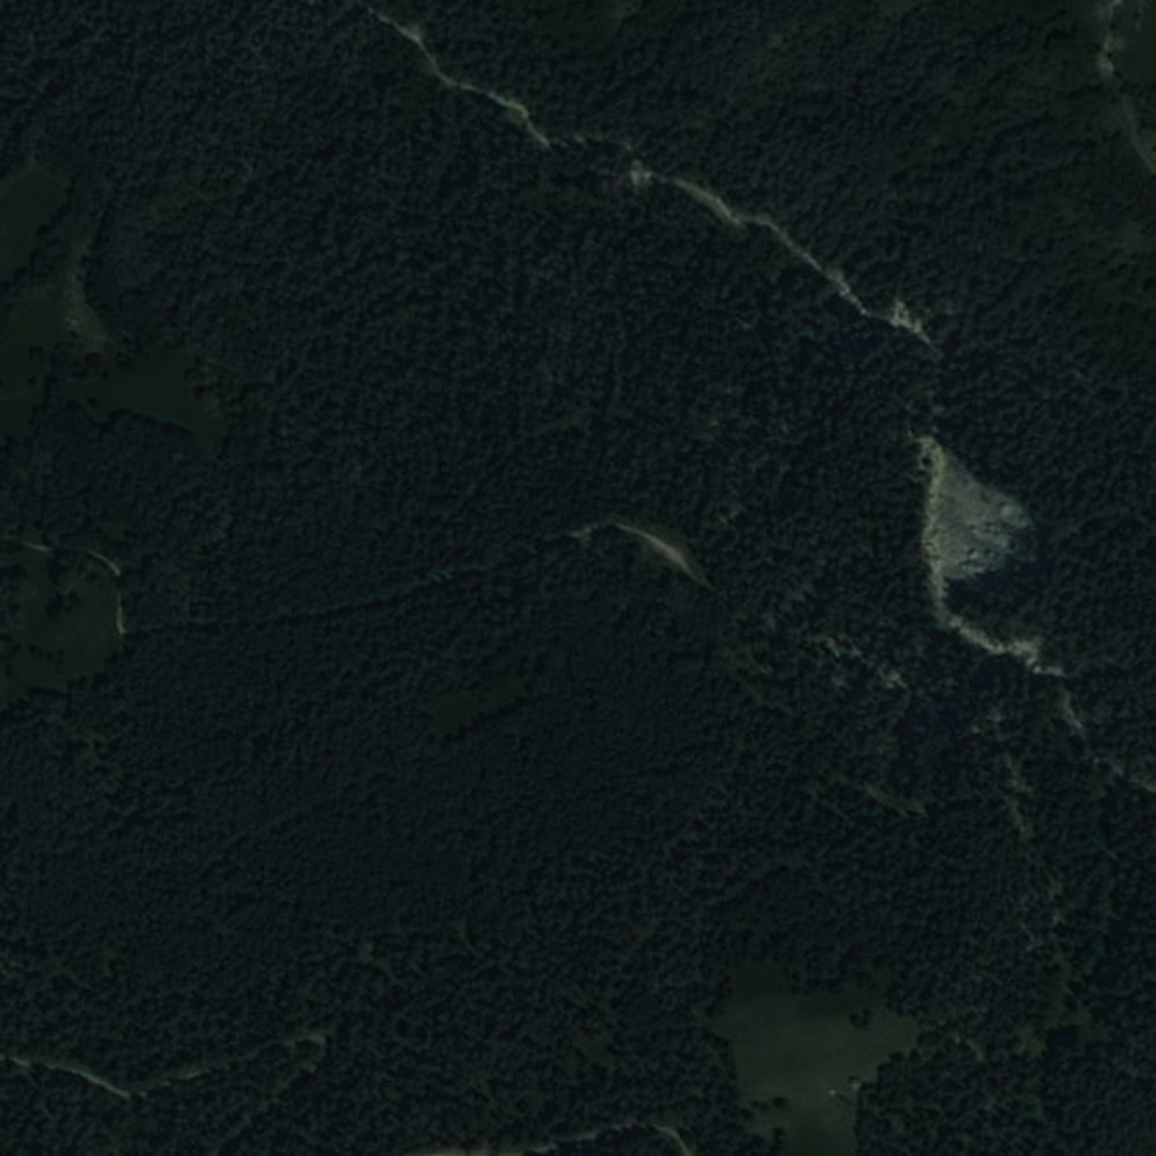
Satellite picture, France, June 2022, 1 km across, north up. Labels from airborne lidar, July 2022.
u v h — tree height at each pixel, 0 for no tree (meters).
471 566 20
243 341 20
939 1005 25
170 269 21
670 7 26
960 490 0
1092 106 17
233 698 19
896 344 29
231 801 25
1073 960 16
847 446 19
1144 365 19
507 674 20
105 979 14
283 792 26
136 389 0
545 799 18
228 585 19
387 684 28
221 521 31
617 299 40
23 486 24
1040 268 27
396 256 24
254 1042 18
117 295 19
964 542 0
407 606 28
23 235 0
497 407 10
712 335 12
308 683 27
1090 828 21
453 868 22
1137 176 16
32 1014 34
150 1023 25
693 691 17
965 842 19
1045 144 21
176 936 23
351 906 18
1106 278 7
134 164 31
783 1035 0
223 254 19
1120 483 22
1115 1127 27
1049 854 9
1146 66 0
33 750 25
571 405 37
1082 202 14
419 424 15
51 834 26
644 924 21
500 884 19
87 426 21
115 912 21
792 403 37
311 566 18
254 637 24
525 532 19
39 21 31
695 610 23
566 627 24
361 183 29
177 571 23
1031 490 37
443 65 7
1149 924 25
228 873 14
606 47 9
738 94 22
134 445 18
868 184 31
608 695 23
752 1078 0
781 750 28
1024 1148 9
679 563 0
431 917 19
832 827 15
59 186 0
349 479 27
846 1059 0
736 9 27
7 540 15
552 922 26
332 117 26
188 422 0
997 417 34
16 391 0
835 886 32
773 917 18
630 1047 30
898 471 25
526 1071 23
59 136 18
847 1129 0
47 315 0
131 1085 11
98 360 13
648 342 26
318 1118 30
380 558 23
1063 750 6
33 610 0
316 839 20
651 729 22
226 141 23
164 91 19
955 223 34
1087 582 18
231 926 25
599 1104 29
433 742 24
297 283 33
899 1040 0
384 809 24
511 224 37
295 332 33
